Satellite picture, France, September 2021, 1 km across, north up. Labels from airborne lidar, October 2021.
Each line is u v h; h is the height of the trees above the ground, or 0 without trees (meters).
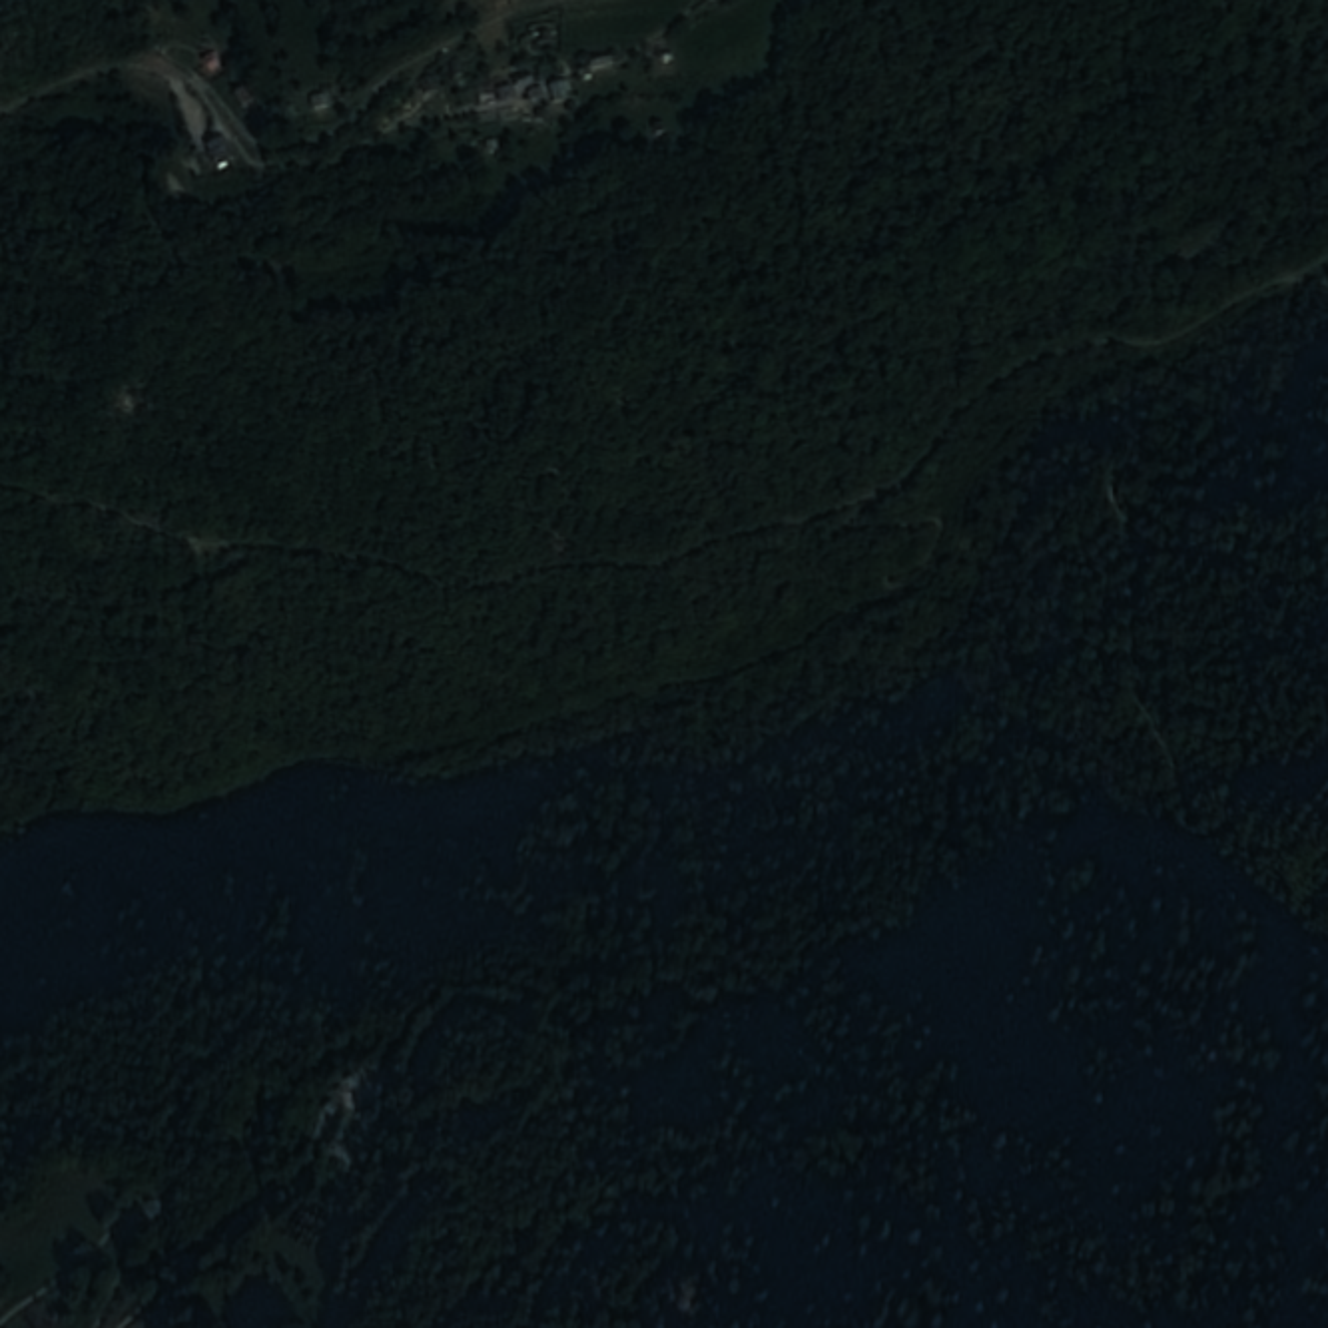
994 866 21
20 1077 25
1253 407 26
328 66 15
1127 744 23
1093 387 11
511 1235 7
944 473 20
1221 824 21
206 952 33
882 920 27
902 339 21
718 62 0
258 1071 28
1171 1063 11
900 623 18
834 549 13
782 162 25
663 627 25
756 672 8
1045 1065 8
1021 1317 24
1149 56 33
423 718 17
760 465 25
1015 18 27
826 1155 39
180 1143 28
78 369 24
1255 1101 9
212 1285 9
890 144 29
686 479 16
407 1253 25
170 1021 25
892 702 17
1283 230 14
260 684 18
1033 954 9
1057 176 36
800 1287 14
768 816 38
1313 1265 17
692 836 29
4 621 27
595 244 25
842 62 31
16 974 27
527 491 19
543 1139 23
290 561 15
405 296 24
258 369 21
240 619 21
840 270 34
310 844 29
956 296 30
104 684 19
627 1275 28
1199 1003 24
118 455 22
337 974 29
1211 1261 22
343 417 26
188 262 21
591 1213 21
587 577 22
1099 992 18
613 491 24
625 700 7
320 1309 0
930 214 30
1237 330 9
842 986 21
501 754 19
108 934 28
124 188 27
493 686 22
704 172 26
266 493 25
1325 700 25
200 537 19
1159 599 19
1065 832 11
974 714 33
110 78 10
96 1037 28
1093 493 23
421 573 23
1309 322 26
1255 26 7
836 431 23
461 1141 23
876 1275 13
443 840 24
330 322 29
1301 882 20
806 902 31
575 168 17
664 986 21
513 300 24
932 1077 41
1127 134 32
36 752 21
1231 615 20
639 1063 22
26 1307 0
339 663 24
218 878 31
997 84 24
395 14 22
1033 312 26
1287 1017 20
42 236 22
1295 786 15
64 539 20
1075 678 28
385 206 28
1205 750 19
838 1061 28
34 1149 28
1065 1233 29
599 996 33
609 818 34
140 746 19
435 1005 27
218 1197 23
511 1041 26
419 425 25
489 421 30
